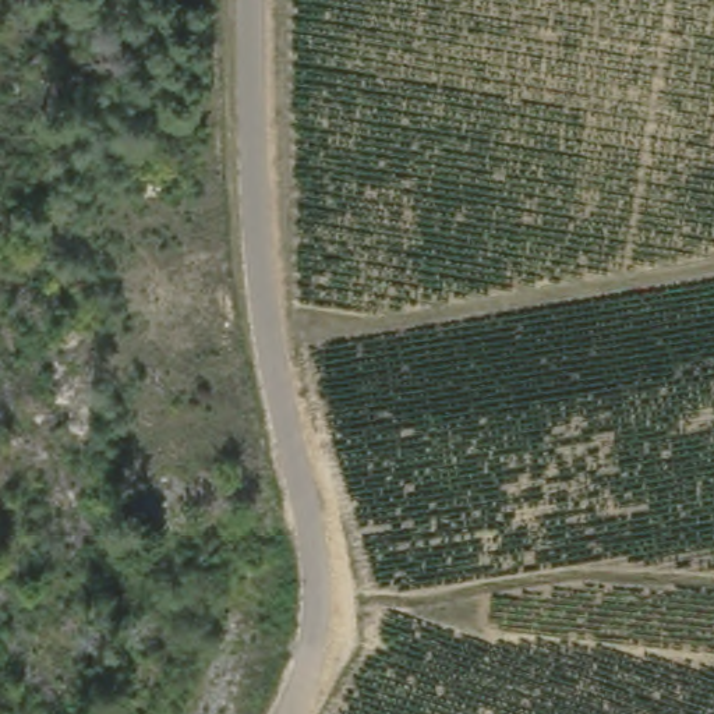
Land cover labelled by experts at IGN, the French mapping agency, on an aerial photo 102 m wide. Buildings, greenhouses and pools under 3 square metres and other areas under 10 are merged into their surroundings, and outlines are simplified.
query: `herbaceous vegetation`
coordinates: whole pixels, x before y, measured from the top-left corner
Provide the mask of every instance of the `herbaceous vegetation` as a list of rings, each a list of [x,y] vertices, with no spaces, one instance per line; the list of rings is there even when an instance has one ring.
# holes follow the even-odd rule
[[[282,254],[287,265],[284,315],[290,329],[293,365],[298,371],[312,360],[312,354],[321,346],[326,346],[335,337],[404,332],[421,324],[446,324],[505,310],[608,296],[639,287],[697,282],[714,276],[714,245],[700,243],[697,254],[692,257],[636,262],[633,251],[639,245],[644,184],[636,184],[630,220],[619,231],[625,245],[608,262],[605,273],[588,271],[580,276],[566,276],[561,282],[536,279],[533,284],[519,279],[508,290],[491,287],[471,296],[435,293],[432,298],[424,298],[424,287],[418,287],[410,290],[410,298],[416,304],[390,310],[390,301],[382,301],[374,312],[318,307],[301,301],[296,268],[298,181],[293,114],[293,0],[273,0],[276,173]]]
[[[686,549],[672,552],[655,563],[605,558],[569,566],[541,566],[536,572],[516,575],[485,575],[421,588],[379,586],[371,597],[357,597],[357,602],[382,605],[382,611],[388,614],[399,611],[416,616],[424,625],[443,628],[455,636],[519,644],[536,641],[536,633],[496,628],[491,622],[494,594],[549,597],[552,588],[583,588],[588,583],[594,588],[594,602],[605,602],[608,591],[614,591],[616,586],[641,588],[644,594],[664,594],[675,591],[681,580],[700,583],[714,577],[714,552]]]
[[[112,441],[117,455],[106,477],[92,488],[81,488],[78,496],[109,505],[117,530],[128,522],[128,527],[139,538],[153,538],[165,530],[165,496],[148,474],[148,449],[139,446],[137,435],[123,435]]]
[[[201,697],[195,714],[237,714],[234,697],[240,692],[243,675],[234,669],[231,650],[237,639],[251,639],[251,630],[257,625],[243,625],[240,614],[229,614],[226,630],[218,641],[218,658],[209,664],[198,686]]]
[[[73,377],[67,388],[56,393],[56,402],[70,413],[73,435],[86,438],[92,385],[84,382],[84,377]]]
[[[192,340],[201,335],[204,326],[212,332],[218,346],[231,346],[231,329],[248,332],[237,218],[234,0],[215,0],[215,81],[212,92],[201,100],[204,112],[209,112],[212,142],[212,151],[218,156],[215,170],[223,170],[229,179],[234,237],[223,243],[223,248],[184,254],[181,276],[176,276],[170,284],[156,262],[137,265],[134,271],[126,271],[120,276],[123,290],[131,312],[148,318],[148,340],[159,343],[162,349],[195,349]]]

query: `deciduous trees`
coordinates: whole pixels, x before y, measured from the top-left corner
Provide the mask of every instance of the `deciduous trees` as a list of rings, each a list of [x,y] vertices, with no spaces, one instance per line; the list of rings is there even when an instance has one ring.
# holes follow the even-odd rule
[[[28,61],[28,56],[22,53],[22,42],[31,39],[33,28],[42,20],[50,17],[47,0],[0,0],[0,212],[14,204],[11,190],[31,192],[33,184],[39,184],[36,167],[47,165],[56,151],[53,145],[39,145],[36,139],[28,139],[25,134],[31,120],[47,120],[56,109],[56,84],[47,81],[47,59],[36,56],[33,61]]]
[[[223,248],[223,243],[234,237],[229,179],[223,170],[215,170],[218,156],[212,151],[212,142],[187,148],[179,156],[165,156],[156,148],[145,156],[142,165],[128,165],[117,153],[103,153],[100,162],[92,162],[86,167],[95,176],[95,187],[59,187],[59,192],[47,198],[47,218],[42,223],[0,215],[0,714],[195,714],[201,697],[198,686],[209,664],[218,658],[218,641],[226,630],[229,614],[240,614],[243,625],[257,625],[251,630],[251,639],[237,639],[231,650],[234,669],[243,675],[240,692],[234,697],[237,714],[265,714],[276,694],[279,678],[290,661],[290,641],[298,622],[298,569],[290,533],[284,527],[282,485],[276,480],[271,460],[271,441],[257,388],[248,332],[231,329],[231,346],[218,346],[212,332],[204,326],[201,335],[192,340],[195,349],[162,349],[159,343],[148,340],[148,318],[131,312],[123,290],[120,296],[86,298],[84,282],[98,282],[95,271],[89,271],[86,265],[53,259],[50,234],[59,229],[64,234],[89,237],[114,229],[123,234],[123,243],[114,243],[109,254],[120,276],[126,271],[134,271],[137,265],[156,262],[170,284],[176,276],[181,276],[184,254]],[[56,402],[56,393],[67,388],[73,377],[84,377],[84,382],[92,385],[86,438],[73,435],[70,413]],[[165,530],[153,538],[139,538],[128,527],[128,522],[117,530],[109,505],[78,496],[81,488],[92,488],[106,477],[117,455],[112,441],[123,435],[137,435],[139,446],[148,449],[148,474],[165,496]]]

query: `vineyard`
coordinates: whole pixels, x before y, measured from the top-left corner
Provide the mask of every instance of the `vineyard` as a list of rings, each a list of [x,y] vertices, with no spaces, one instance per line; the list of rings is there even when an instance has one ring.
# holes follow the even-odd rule
[[[636,262],[692,257],[697,254],[700,243],[714,245],[714,0],[293,0],[293,114],[298,181],[296,268],[301,301],[318,307],[374,312],[382,301],[390,301],[390,310],[416,304],[410,298],[410,290],[418,287],[424,287],[424,298],[432,298],[435,293],[471,296],[491,287],[508,290],[519,279],[533,284],[536,279],[561,282],[566,276],[580,276],[588,271],[605,273],[608,262],[625,245],[619,231],[630,220],[636,184],[644,184],[639,245],[633,251]]]
[[[416,616],[399,611],[388,614],[379,630],[382,647],[371,653],[360,667],[354,686],[346,692],[346,711],[340,714],[714,714],[714,577],[700,583],[681,580],[675,591],[664,594],[644,594],[641,588],[616,586],[614,591],[608,591],[605,602],[594,602],[594,588],[588,583],[583,588],[552,588],[549,597],[494,594],[491,622],[496,628],[536,633],[536,641],[519,644],[455,636],[443,628],[424,625]]]
[[[326,346],[321,346],[312,354],[312,360],[321,377],[318,388],[321,399],[326,402],[326,424],[332,432],[335,460],[343,474],[346,491],[354,499],[354,516],[360,524],[377,522],[390,527],[388,533],[374,533],[363,538],[374,580],[379,586],[421,588],[485,575],[516,575],[536,572],[541,566],[569,566],[605,558],[655,563],[672,552],[686,549],[714,552],[714,276],[697,282],[639,287],[608,296],[505,310],[446,324],[421,324],[404,332],[335,337]]]

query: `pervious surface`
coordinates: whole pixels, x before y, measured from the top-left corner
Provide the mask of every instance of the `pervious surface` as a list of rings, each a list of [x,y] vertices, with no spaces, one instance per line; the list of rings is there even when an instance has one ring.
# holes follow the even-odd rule
[[[382,611],[382,605],[357,602],[357,597],[371,597],[379,586],[374,580],[363,538],[374,533],[388,533],[390,527],[377,522],[360,524],[354,516],[354,499],[346,491],[343,474],[335,460],[332,432],[326,424],[326,402],[321,399],[318,388],[321,377],[312,360],[298,371],[298,396],[304,399],[312,421],[312,432],[304,435],[304,449],[326,502],[324,524],[332,577],[329,639],[349,658],[346,667],[337,672],[321,706],[321,714],[340,714],[346,711],[346,692],[354,686],[360,667],[371,653],[382,647],[379,630],[388,614]]]

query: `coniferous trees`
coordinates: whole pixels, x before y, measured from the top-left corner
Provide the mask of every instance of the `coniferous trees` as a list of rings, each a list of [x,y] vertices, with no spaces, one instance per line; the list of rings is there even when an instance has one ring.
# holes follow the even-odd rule
[[[89,237],[64,234],[59,229],[50,234],[53,259],[86,265],[89,271],[95,271],[98,282],[84,282],[86,298],[120,296],[123,290],[120,276],[109,254],[114,243],[123,243],[123,234],[114,229]]]
[[[145,156],[156,148],[165,156],[179,156],[187,148],[212,142],[209,112],[204,112],[201,100],[212,92],[215,81],[215,0],[47,0],[50,17],[42,20],[33,28],[31,39],[22,42],[22,53],[28,56],[28,61],[33,61],[36,56],[47,59],[47,81],[56,84],[56,109],[47,120],[31,120],[25,134],[28,139],[36,139],[39,145],[53,145],[56,151],[47,165],[36,167],[39,184],[33,184],[31,192],[11,190],[14,204],[0,212],[0,215],[42,223],[47,218],[47,198],[59,192],[59,187],[95,187],[95,176],[86,167],[92,162],[100,162],[103,153],[117,153],[128,165],[142,165]]]

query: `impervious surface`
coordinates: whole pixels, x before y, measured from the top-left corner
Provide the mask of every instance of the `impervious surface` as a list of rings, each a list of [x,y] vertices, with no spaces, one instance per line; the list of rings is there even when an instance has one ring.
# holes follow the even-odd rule
[[[290,661],[279,678],[276,694],[265,714],[321,714],[321,706],[337,672],[346,667],[349,658],[329,639],[332,577],[324,524],[326,502],[304,449],[304,435],[312,432],[312,421],[304,399],[298,396],[298,371],[293,365],[290,329],[284,315],[287,265],[282,254],[276,173],[273,0],[234,0],[237,218],[248,332],[257,388],[271,441],[271,460],[276,480],[282,485],[284,527],[290,533],[298,569],[298,622],[290,641]]]

